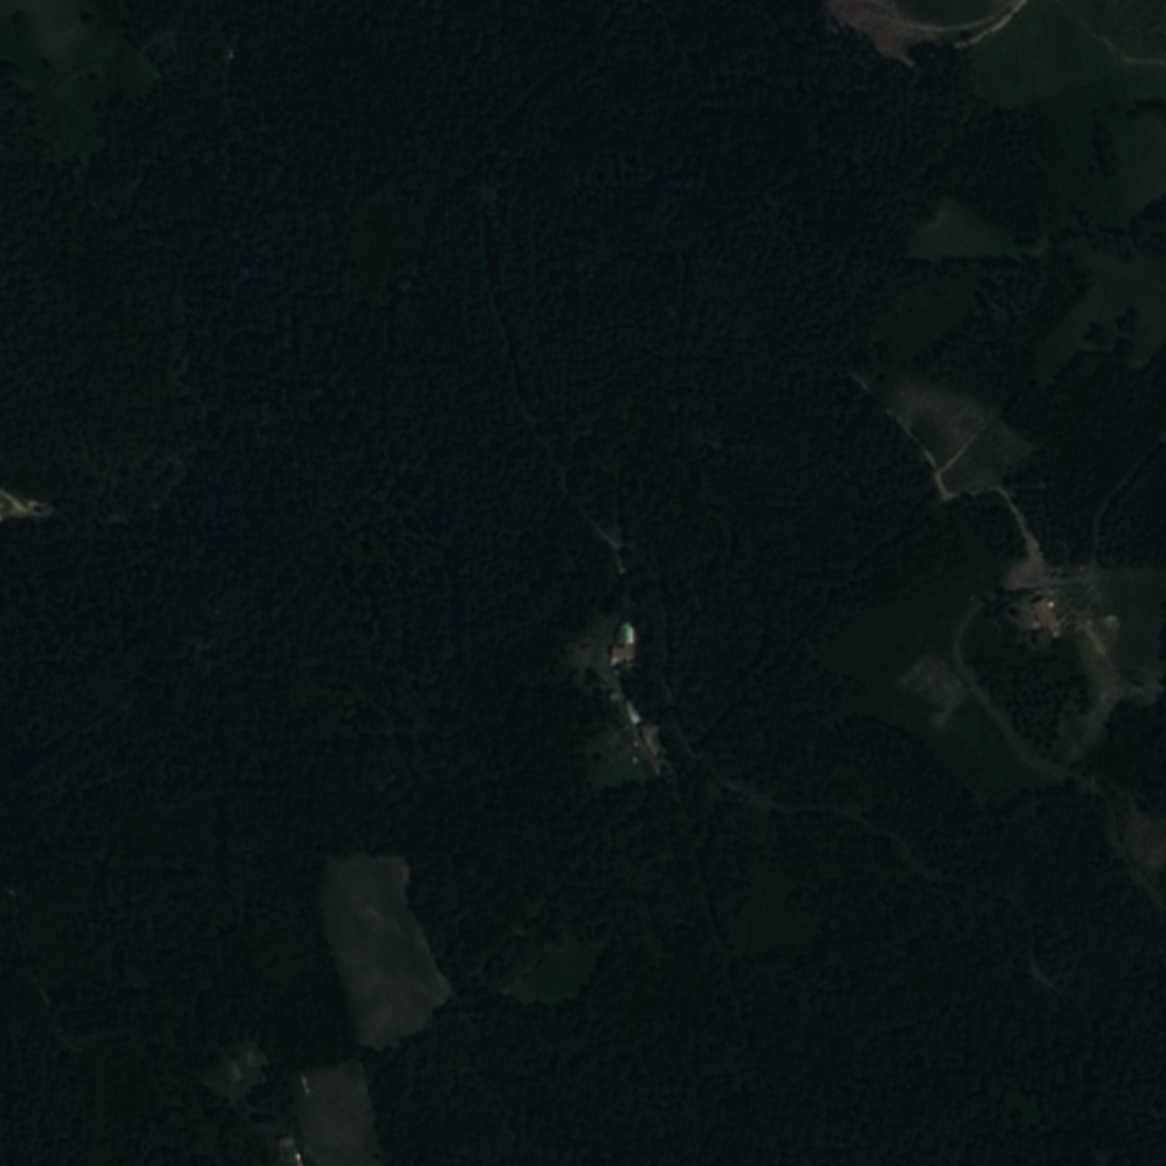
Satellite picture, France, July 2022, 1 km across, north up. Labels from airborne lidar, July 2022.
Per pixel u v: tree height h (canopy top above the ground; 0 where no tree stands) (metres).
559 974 0
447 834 19
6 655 37
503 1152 21
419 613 10
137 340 11
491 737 14
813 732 18
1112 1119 22
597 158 32
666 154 15
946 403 0
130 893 24
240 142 24
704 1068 23
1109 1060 25
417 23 26
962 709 0
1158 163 0
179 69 9
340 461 28
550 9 35
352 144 17
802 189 26
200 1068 10
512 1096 21
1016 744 0
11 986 19
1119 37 0
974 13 0
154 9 24
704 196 28
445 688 29
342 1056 6
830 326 30
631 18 28
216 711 28
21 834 11
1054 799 24
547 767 17
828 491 22
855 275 28
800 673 34
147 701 20
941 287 20
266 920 21
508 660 28
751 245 29
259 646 20
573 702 22
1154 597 0
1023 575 0
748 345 22
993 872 24
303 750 25
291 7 21
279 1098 20
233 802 27
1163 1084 22
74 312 10
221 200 22
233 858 27
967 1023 16
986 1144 21
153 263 22
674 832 15
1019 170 8
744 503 22
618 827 18
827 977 22
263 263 40
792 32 33
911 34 0
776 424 24
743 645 21
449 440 23
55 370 21
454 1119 19
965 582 0
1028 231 19
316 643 39
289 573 35
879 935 28
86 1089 5
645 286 20
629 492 22
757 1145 19
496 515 37
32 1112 18
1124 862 17
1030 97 0
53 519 6
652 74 34
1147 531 11
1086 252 0
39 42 0
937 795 23
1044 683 10
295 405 31
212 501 15
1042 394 7
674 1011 12
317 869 11
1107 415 8
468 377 26
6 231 28
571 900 16
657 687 13
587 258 31
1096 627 0
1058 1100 24
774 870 24
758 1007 19
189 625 21
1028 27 0
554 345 23
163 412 20
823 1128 31
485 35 12
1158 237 19
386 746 26
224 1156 6
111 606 12
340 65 21
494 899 19
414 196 19
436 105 18
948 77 25
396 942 0
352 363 21
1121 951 20
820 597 20
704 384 25
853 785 17
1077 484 8
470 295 21
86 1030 21
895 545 8
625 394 21
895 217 23
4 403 31
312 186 25
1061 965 21
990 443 0
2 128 21
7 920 6
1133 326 18
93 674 33
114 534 14
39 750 23
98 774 31
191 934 23
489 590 38
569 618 27
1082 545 13
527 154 26
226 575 21
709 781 17
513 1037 10
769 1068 24
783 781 17
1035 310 7
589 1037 21
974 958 23
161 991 9
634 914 18
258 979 7
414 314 13
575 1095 27
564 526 24
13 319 30
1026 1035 21
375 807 25
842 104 24
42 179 18
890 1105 33
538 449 26
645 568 20
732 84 31
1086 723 0
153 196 19
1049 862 24
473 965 16
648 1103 21
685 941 21
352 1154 0
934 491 10
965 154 9
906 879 24
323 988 9
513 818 11
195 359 12
